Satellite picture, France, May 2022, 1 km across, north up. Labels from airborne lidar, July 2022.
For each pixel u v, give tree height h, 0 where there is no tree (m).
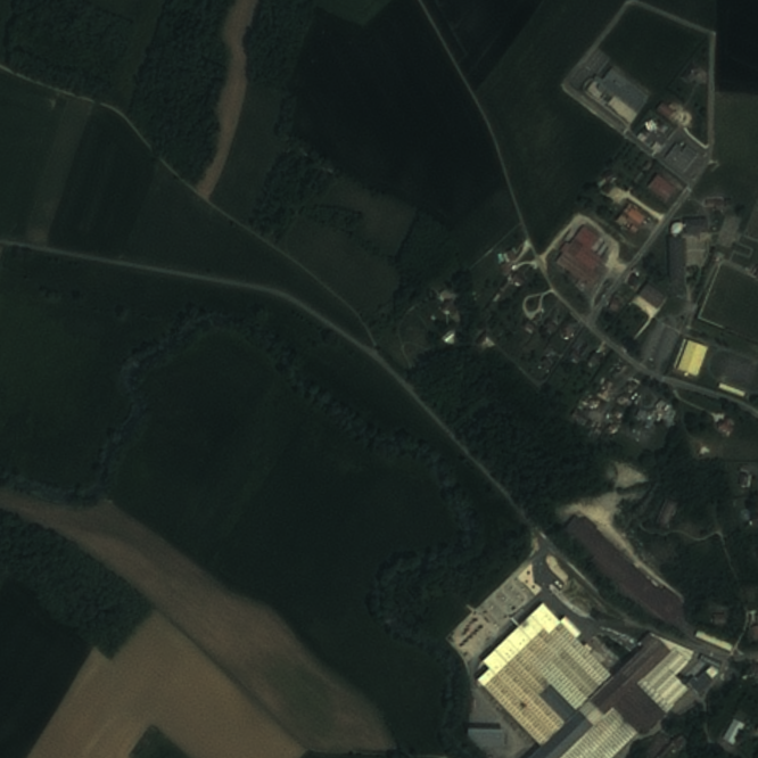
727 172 0
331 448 0
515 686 0
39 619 0
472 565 25
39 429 0
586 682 0
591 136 0
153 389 0
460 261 5
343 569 0
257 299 0
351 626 0
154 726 0
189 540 0
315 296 0
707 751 16
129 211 0
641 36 0
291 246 0
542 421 17
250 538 0
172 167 10
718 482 6
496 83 0
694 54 0
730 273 0
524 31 0
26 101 0
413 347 0
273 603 0
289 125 16
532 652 0
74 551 20
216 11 14
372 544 0
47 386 0
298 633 0
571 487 18
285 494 0
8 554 22
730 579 14
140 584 0
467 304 17
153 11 0
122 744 0
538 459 20
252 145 0
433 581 16
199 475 0
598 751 0
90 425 0
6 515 19
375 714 0
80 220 0
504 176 0
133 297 0
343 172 12
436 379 19
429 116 0
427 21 0
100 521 0
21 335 0
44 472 0
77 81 20
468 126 0
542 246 0
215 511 0
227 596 0
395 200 0
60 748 0
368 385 0
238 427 0
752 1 0
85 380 0
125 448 15
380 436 16
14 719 0
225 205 0
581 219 0
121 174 0
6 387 0
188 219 0
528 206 0
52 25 22
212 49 17
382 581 18
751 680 0
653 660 0
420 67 0
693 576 11
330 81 0
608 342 0
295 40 22
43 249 0
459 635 0
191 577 0
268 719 0
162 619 0
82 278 0
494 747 0
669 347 0
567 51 0
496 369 7
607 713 0
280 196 22
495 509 0
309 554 0
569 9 0
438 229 15
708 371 0
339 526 0
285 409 0
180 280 0
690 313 0
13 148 0
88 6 19
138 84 21
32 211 0
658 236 0
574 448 21
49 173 0
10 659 0
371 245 7
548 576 0
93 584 23
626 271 0
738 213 12
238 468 0
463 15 0
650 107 0
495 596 0
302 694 0
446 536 0
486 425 23
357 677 0
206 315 18
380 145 0
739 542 7
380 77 0
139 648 0
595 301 0
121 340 0
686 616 16
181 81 25
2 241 0
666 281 6
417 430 0
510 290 0
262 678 0
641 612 20
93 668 0
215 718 0
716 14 0
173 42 19
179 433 0
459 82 0
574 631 0
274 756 0
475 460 18
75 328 0
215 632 0
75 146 0
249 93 0
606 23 0
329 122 0
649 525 11
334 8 0
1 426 0
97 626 22
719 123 0
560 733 0
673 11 0
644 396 0
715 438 0
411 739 0
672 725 27
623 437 0
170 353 17
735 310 0
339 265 0
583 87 0
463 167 0
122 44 17
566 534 25
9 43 19
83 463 0
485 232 0
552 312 0
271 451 0
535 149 0
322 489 0
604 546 0
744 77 0
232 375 0
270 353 16
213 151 19
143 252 0
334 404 12
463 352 14
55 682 0
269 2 17
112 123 0
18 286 0
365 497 0
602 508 0
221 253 0
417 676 0
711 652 0
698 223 0
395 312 10
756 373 0
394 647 0
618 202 0
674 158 0
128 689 0
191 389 0
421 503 0
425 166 0
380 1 0
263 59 20
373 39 0
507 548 20
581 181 0
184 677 0
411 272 10
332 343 12
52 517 0
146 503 0
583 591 0
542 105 0
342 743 0
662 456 14
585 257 0
